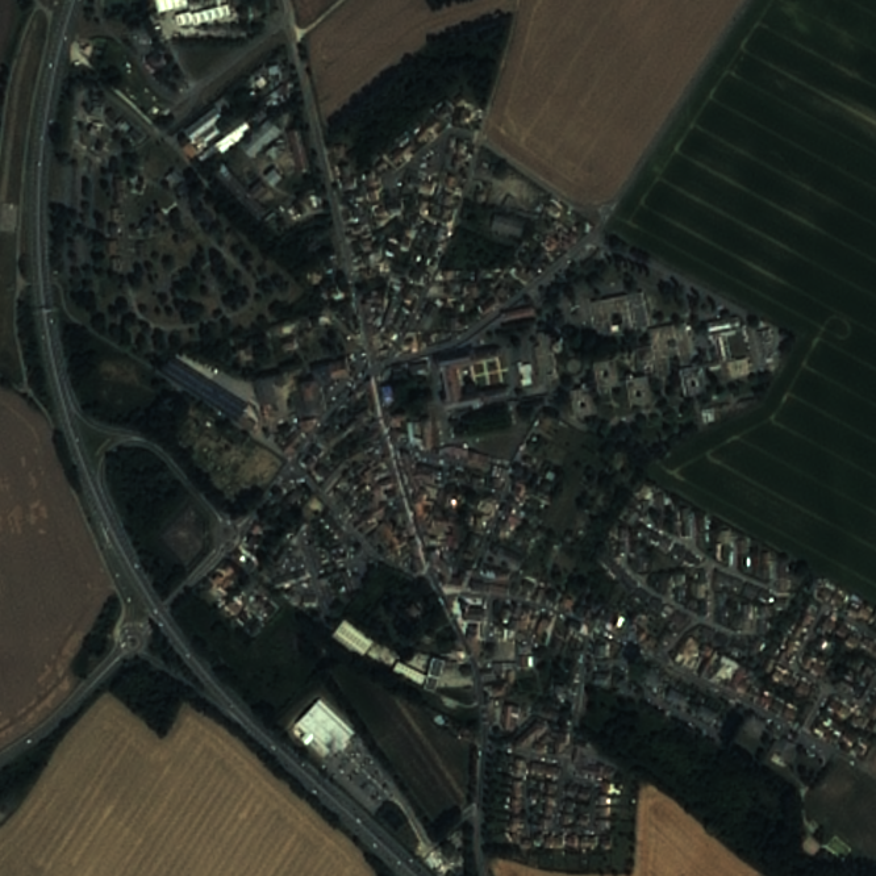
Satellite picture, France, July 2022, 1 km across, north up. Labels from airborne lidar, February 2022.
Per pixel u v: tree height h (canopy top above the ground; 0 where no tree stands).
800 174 0
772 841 14
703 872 0
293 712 0
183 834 0
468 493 16
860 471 0
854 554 0
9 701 0
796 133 0
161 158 0
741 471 0
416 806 7
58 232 16
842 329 0
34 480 0
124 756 0
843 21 0
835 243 0
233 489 0
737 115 0
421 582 13
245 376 11
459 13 0
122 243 0
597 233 0
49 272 0
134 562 0
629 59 0
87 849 0
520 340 9
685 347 0
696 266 0
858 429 0
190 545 0
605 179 0
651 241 0
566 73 0
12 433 0
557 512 0
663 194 0
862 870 25
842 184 0
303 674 0
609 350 17
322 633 15
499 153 0
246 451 0
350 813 0
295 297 0
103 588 0
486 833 9
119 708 0
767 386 14
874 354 0
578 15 0
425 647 0
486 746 0
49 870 0
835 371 0
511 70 0
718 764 9
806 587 6
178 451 18
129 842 0
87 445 0
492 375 0
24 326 7
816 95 0
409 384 6
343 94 0
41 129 0
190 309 13
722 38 0
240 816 0
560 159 0
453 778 0
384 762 15
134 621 0
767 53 0
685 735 10
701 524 0
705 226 0
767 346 0
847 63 0
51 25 0
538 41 0
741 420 0
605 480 13
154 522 6
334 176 0
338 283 11
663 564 0
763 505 0
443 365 0
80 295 9
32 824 0
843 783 0
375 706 0
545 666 8
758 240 0
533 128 0
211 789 0
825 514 0
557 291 8
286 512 9
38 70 0
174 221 13
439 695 0
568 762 0
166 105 0
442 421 0
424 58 8
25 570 0
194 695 14
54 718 0
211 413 8
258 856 0
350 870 0
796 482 0
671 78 0
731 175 0
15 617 0
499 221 0
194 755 0
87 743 0
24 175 0
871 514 0
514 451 0
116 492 6
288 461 0
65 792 0
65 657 0
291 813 0
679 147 0
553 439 0
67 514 0
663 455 14
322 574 0
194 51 0
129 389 0
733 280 0
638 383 0
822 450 0
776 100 0
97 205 0
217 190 13
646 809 0
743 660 6
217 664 6
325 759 0
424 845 0
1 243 0
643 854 0
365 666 17
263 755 13
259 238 7
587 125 0
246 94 13
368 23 0
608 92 0
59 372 0
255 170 0
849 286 0
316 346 0
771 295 0
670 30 0
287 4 0
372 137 9
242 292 16
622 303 0
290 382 0
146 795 0
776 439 0
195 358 8
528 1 0
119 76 11
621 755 12
